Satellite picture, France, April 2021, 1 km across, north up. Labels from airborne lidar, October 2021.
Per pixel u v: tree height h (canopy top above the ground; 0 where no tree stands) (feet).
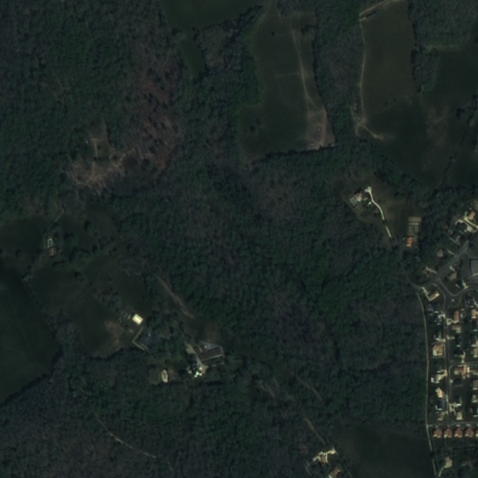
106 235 0
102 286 0
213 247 59
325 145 0
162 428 41
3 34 86
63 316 21
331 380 71
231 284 57
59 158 61
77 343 40
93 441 68
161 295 82
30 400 63
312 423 34
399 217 0
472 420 0
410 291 59
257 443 66
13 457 78
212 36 0
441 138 0
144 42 43
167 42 32
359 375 74
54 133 65
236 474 79
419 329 54
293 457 69
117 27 58
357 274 83
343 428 50
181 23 0
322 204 64
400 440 0
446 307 0
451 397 0
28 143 66
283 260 88
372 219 0
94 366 82
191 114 81
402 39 0
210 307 81
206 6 0
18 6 58
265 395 30
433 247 67
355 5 74
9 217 67
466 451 19
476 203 0
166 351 93
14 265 0
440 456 42
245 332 76
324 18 73
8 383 0
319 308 78
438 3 66
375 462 0
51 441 64
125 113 69
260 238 80
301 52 0
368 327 51
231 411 79
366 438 0
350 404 80
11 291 0
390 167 79
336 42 50
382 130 0
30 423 59
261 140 0
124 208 69
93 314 0
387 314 60
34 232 0
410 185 66
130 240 61
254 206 68
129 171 28
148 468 66
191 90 81
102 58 75
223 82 82
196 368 0
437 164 0
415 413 69
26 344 0
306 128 0
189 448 54
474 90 0
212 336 0
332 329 59
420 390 66
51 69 68
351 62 65
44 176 78
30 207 74
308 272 84
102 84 62
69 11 74
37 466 63
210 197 76
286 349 52
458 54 0
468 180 0
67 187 80
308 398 74
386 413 63
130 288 0
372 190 0
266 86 0
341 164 73
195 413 83
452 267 0
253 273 59
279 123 0
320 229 69
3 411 47
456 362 0
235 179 78
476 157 0
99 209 0
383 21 0
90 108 72
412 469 0
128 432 56
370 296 65
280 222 60
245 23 31
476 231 0
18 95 62
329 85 71
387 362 57
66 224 0
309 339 78
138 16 54
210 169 55
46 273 0
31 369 0
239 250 43
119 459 61
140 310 0
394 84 0
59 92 74
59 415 63
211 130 56
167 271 55
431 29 75
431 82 83
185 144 50
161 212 65
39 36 61
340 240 41
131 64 73
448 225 38
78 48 77
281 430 63
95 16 40
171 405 70
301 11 68
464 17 66
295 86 0
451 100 0
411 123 0
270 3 0
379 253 61
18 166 90
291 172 49
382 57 0
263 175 64
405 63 0
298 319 69
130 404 44
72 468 66
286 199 41
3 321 0
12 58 72
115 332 0
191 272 77
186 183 76
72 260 45
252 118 0
